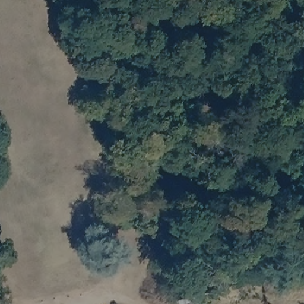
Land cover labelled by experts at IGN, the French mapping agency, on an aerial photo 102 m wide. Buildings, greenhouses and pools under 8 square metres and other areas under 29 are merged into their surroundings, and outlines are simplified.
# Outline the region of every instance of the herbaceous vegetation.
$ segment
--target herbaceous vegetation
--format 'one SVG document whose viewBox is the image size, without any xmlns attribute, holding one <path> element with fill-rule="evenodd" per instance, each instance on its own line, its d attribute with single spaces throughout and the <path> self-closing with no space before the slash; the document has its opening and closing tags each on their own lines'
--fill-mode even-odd
<svg viewBox="0 0 304 304">
<path fill-rule="evenodd" d="M 139 294 L 148 304 L 170 304 L 160 302 L 159 296 L 164 293 L 160 291 L 161 284 L 156 283 L 151 274 L 147 274 L 142 280 Z"/>
<path fill-rule="evenodd" d="M 102 146 L 97 141 L 112 128 L 103 121 L 85 120 L 83 113 L 77 112 L 74 106 L 83 96 L 83 84 L 87 80 L 76 77 L 74 66 L 58 47 L 58 43 L 61 42 L 61 28 L 57 18 L 63 14 L 64 8 L 76 6 L 90 9 L 90 13 L 95 13 L 99 5 L 94 0 L 0 0 L 0 110 L 8 127 L 11 128 L 11 145 L 7 150 L 11 175 L 0 189 L 0 241 L 11 239 L 14 251 L 17 252 L 15 264 L 0 270 L 0 272 L 5 275 L 5 286 L 11 290 L 13 299 L 34 299 L 40 294 L 45 297 L 53 294 L 57 296 L 64 291 L 72 290 L 88 291 L 90 287 L 100 283 L 103 275 L 82 265 L 80 255 L 75 251 L 85 240 L 85 230 L 89 227 L 103 226 L 113 234 L 118 234 L 118 249 L 110 259 L 103 260 L 104 265 L 110 265 L 109 272 L 104 274 L 106 278 L 113 277 L 119 267 L 131 264 L 128 258 L 138 251 L 141 236 L 138 230 L 120 230 L 120 227 L 103 222 L 95 215 L 94 199 L 91 195 L 107 195 L 108 192 L 120 188 L 118 177 L 108 175 L 106 171 L 109 165 L 113 165 L 113 161 L 103 156 Z"/>
<path fill-rule="evenodd" d="M 248 186 L 237 190 L 209 190 L 189 177 L 173 175 L 159 166 L 159 189 L 175 199 L 182 199 L 183 202 L 186 201 L 186 196 L 192 194 L 196 196 L 197 202 L 202 204 L 214 201 L 226 204 L 234 199 L 236 201 L 252 197 L 255 191 Z"/>
<path fill-rule="evenodd" d="M 172 236 L 169 222 L 158 220 L 158 232 L 154 239 L 161 243 Z"/>
<path fill-rule="evenodd" d="M 247 283 L 239 289 L 230 290 L 220 299 L 214 299 L 213 304 L 304 304 L 304 289 L 281 291 L 278 290 L 277 280 L 272 280 L 267 289 Z"/>
<path fill-rule="evenodd" d="M 213 163 L 209 163 L 209 167 L 233 169 L 237 166 L 241 169 L 247 160 L 245 153 L 229 151 L 228 148 L 214 145 L 207 148 L 204 153 L 204 157 L 215 157 Z"/>
<path fill-rule="evenodd" d="M 204 94 L 205 100 L 208 101 L 211 112 L 217 116 L 228 118 L 230 112 L 239 110 L 232 96 L 224 99 L 215 93 L 207 93 Z"/>
<path fill-rule="evenodd" d="M 300 101 L 304 100 L 304 49 L 293 57 L 293 63 L 303 65 L 303 69 L 292 71 L 291 89 L 286 93 L 286 99 L 290 100 L 294 107 L 299 107 Z"/>
<path fill-rule="evenodd" d="M 179 27 L 172 25 L 171 20 L 167 19 L 159 21 L 159 25 L 161 31 L 175 44 L 180 44 L 184 40 L 191 42 L 198 34 L 207 45 L 209 42 L 217 42 L 229 33 L 223 30 L 222 26 L 213 28 L 198 23 Z"/>
</svg>

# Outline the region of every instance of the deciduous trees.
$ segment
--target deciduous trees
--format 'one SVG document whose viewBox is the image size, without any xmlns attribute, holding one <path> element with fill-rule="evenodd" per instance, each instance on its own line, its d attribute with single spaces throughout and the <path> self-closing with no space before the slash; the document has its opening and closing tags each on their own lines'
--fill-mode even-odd
<svg viewBox="0 0 304 304">
<path fill-rule="evenodd" d="M 0 189 L 11 175 L 7 150 L 11 145 L 11 128 L 8 127 L 0 110 Z"/>
<path fill-rule="evenodd" d="M 5 275 L 0 272 L 0 304 L 12 304 L 13 299 L 11 290 L 5 286 Z"/>
<path fill-rule="evenodd" d="M 286 93 L 291 89 L 292 71 L 303 69 L 303 65 L 293 63 L 293 57 L 304 49 L 304 0 L 94 0 L 99 5 L 95 13 L 90 13 L 90 9 L 76 6 L 64 8 L 63 14 L 57 18 L 61 28 L 61 42 L 58 43 L 58 47 L 74 66 L 76 77 L 87 80 L 83 84 L 83 96 L 74 106 L 77 112 L 83 113 L 85 120 L 103 121 L 112 128 L 97 141 L 102 146 L 103 156 L 113 161 L 113 165 L 109 165 L 106 171 L 108 175 L 118 177 L 120 188 L 108 192 L 107 195 L 91 195 L 94 199 L 95 215 L 103 222 L 120 227 L 120 230 L 138 230 L 141 236 L 151 235 L 154 239 L 158 232 L 158 220 L 169 222 L 172 236 L 161 243 L 161 246 L 169 251 L 158 260 L 148 260 L 147 274 L 151 274 L 156 283 L 161 284 L 160 291 L 164 293 L 159 296 L 160 302 L 170 304 L 213 304 L 214 299 L 220 299 L 230 290 L 239 289 L 247 283 L 267 289 L 272 280 L 277 280 L 278 290 L 281 291 L 304 289 L 304 100 L 300 101 L 299 107 L 294 107 L 290 100 L 286 99 Z M 180 44 L 175 44 L 161 31 L 159 25 L 159 21 L 167 19 L 171 20 L 172 25 L 179 27 L 198 23 L 213 28 L 222 26 L 223 30 L 229 33 L 217 42 L 209 42 L 207 45 L 198 34 L 191 42 L 184 40 Z M 211 112 L 208 101 L 205 100 L 204 94 L 207 93 L 215 93 L 224 99 L 232 96 L 239 110 L 230 112 L 228 118 L 217 116 Z M 215 157 L 204 157 L 204 153 L 207 148 L 214 145 L 228 148 L 229 151 L 245 153 L 247 160 L 241 169 L 237 166 L 233 169 L 209 167 L 209 163 L 213 163 Z M 248 186 L 255 191 L 252 197 L 236 201 L 234 199 L 226 204 L 214 201 L 202 204 L 197 202 L 196 196 L 192 194 L 186 196 L 186 201 L 183 202 L 182 199 L 175 199 L 159 189 L 159 166 L 173 175 L 189 177 L 209 190 L 237 190 Z"/>
<path fill-rule="evenodd" d="M 113 234 L 103 226 L 89 227 L 85 230 L 85 240 L 75 251 L 80 255 L 82 265 L 103 275 L 104 274 L 109 272 L 110 265 L 104 265 L 103 260 L 110 259 L 118 249 L 118 234 Z"/>
<path fill-rule="evenodd" d="M 15 264 L 17 252 L 14 251 L 11 239 L 0 241 L 0 270 Z"/>
</svg>

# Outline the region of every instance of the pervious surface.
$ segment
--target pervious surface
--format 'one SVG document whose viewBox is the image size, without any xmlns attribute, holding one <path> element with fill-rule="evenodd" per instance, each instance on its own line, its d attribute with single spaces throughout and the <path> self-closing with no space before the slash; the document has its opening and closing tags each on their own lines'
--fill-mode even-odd
<svg viewBox="0 0 304 304">
<path fill-rule="evenodd" d="M 131 264 L 119 267 L 113 277 L 106 278 L 104 274 L 103 275 L 100 283 L 90 287 L 88 291 L 72 290 L 64 291 L 57 296 L 53 294 L 45 297 L 40 294 L 34 299 L 13 299 L 12 304 L 148 304 L 139 294 L 142 280 L 147 274 L 148 260 L 158 260 L 169 251 L 161 246 L 161 243 L 154 239 L 151 235 L 141 236 L 138 251 L 128 258 Z"/>
</svg>

